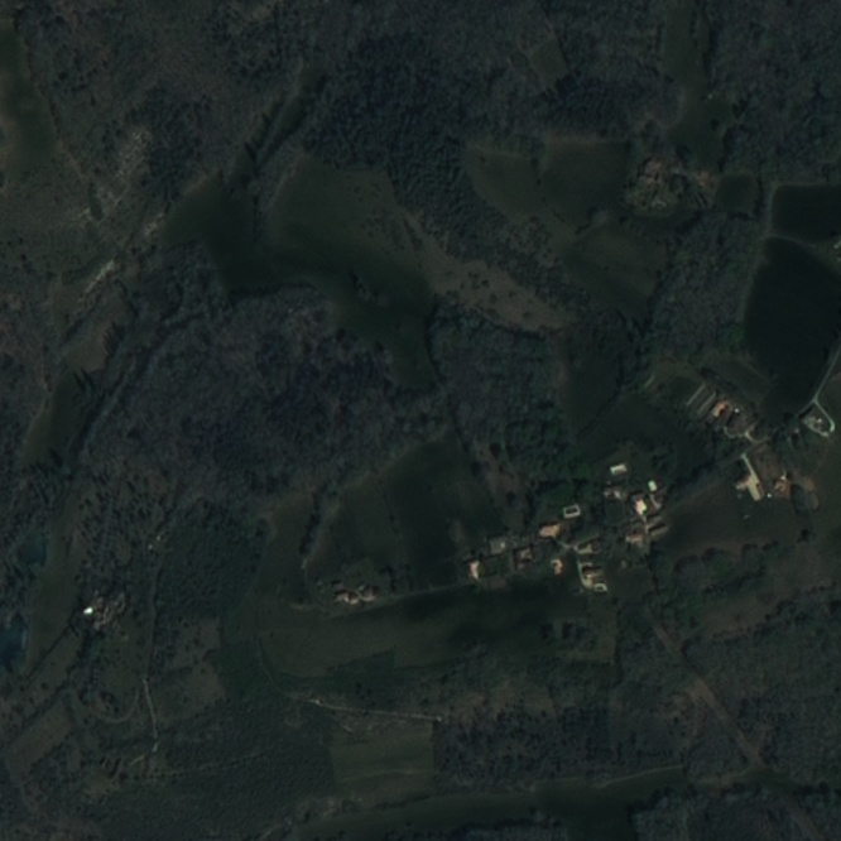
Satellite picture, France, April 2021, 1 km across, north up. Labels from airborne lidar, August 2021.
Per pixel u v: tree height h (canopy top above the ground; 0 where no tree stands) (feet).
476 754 72
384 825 0
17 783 0
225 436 65
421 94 25
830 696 35
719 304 75
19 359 42
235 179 0
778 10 63
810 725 35
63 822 0
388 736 0
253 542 35
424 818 0
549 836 68
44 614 0
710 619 0
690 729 22
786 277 0
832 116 69
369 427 66
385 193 0
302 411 94
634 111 59
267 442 74
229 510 62
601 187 0
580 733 59
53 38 57
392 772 0
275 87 56
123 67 30
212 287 94
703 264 67
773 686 39
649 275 0
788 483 33
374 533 0
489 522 0
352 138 57
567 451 75
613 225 0
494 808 0
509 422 52
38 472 51
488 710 31
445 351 49
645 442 0
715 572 64
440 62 66
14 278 62
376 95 51
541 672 26
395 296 0
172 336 61
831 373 0
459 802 0
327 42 77
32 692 0
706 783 72
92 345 0
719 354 69
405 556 0
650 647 52
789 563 0
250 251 0
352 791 0
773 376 28
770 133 65
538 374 83
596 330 19
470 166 0
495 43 81
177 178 35
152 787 24
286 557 0
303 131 52
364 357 38
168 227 0
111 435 58
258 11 0
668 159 61
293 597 0
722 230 50
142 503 20
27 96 0
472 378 71
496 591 0
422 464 0
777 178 57
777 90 57
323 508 54
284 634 0
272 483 52
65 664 0
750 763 50
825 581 0
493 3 59
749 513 0
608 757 62
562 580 0
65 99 51
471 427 55
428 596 0
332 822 0
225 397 65
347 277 0
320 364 82
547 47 0
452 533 0
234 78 72
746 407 48
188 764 19
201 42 42
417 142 33
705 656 68
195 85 39
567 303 47
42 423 0
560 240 0
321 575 0
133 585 42
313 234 0
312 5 57
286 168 51
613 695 49
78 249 0
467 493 0
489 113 62
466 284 0
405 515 0
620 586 0
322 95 56
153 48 48
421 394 28
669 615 55
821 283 0
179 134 63
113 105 43
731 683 38
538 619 0
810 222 0
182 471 50
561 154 0
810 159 70
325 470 73
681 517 0
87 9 39
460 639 0
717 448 36
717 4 71
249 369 60
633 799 0
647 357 47
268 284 0
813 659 59
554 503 42
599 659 0
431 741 25
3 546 22
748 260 80
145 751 32
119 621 21
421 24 52
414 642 0
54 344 73
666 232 0
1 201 0
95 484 39
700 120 0
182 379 52
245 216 0
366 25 49
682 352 91
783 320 0
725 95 56
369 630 0
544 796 0
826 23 75
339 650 0
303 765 24
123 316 0
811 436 49
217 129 45
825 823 68
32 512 31
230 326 66
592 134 52
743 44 79
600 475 0
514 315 0
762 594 0
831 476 0
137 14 63
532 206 0
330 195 0
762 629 31
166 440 42
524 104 52
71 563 0
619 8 43
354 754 0
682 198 38
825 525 0
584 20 59
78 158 55
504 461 68
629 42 43
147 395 66
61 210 0
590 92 77
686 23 0
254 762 24
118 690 0
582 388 0
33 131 0
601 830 0
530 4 70
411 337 0
